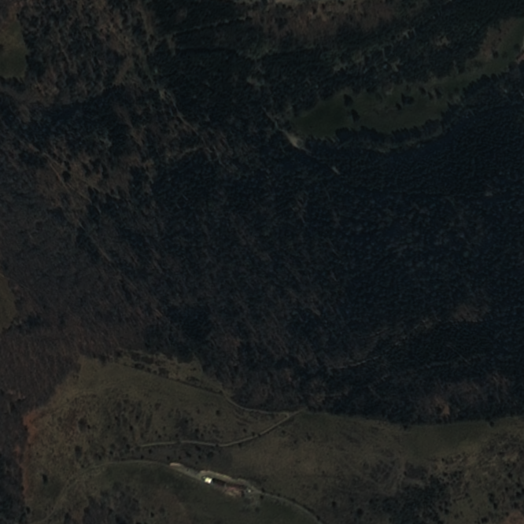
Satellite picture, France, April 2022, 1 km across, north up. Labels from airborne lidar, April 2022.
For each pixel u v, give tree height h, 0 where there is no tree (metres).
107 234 28
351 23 15
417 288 23
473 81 0
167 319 22
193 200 32
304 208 29
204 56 20
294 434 0
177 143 10
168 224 25
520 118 23
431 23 24
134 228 23
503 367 23
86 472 0
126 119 14
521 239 28
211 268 31
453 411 17
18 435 20
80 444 0
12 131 32
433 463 0
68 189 9
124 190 18
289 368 15
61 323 17
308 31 14
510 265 28
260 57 14
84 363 0
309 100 24
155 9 11
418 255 25
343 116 0
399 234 23
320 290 36
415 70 32
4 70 0
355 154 28
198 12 13
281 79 29
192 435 0
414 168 30
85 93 25
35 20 9
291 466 0
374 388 11
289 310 25
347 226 21
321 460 0
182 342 14
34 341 18
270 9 25
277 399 13
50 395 17
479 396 16
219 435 0
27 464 0
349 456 0
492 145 23
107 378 0
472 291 33
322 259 29
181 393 0
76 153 33
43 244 33
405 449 0
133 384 0
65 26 32
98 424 0
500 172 16
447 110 0
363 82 25
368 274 28
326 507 0
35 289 23
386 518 0
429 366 8
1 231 24
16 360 16
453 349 7
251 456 0
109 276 25
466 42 29
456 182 36
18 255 26
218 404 0
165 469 0
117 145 17
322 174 36
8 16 21
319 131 0
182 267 25
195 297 27
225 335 23
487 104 28
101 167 11
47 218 30
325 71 25
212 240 21
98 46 37
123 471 0
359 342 27
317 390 13
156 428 0
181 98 17
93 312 28
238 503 0
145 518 0
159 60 19
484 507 0
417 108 0
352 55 21
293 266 32
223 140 8
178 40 11
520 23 0
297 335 31
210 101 19
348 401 11
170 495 0
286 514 0
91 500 21
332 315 33
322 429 0
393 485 0
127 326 21
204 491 0
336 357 29
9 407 13
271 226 29
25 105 18
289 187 34
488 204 28
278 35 13
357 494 0
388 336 15
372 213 23
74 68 10
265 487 0
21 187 38
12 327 7
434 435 0
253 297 34
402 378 10
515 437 0
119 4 42
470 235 30
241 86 18
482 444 0
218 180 26
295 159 18
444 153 31
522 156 26
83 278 26
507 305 31
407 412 14
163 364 0
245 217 29
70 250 31
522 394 29
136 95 12
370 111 0
